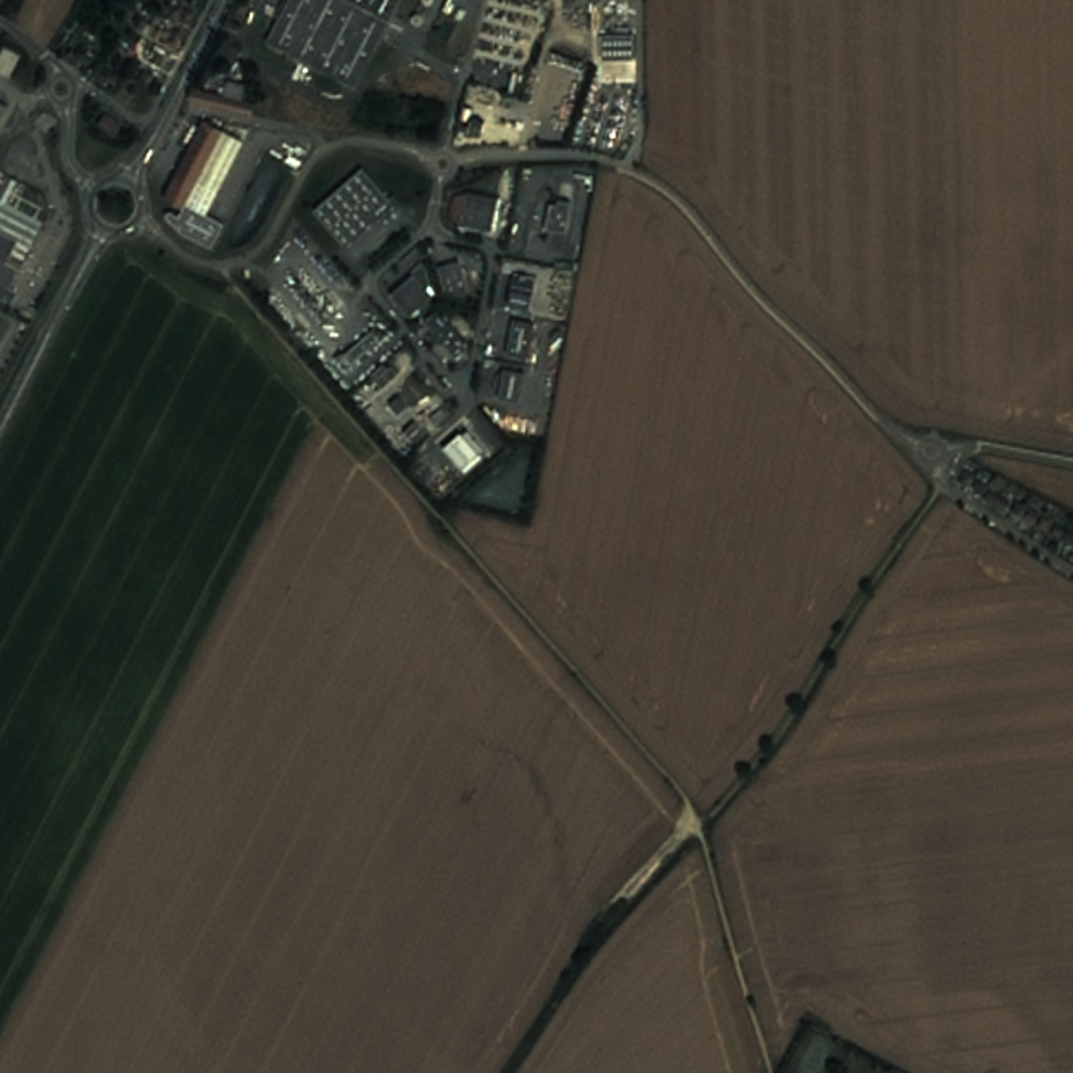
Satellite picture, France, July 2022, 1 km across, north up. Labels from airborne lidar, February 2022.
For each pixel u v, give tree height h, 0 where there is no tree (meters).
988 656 0
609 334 0
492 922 0
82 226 0
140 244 0
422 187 0
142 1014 0
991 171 0
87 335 0
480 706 0
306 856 0
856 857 0
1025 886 0
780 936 0
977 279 0
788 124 0
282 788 0
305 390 0
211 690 0
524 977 0
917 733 0
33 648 0
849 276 0
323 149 0
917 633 0
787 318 0
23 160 0
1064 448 0
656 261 0
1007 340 0
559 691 0
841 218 0
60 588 0
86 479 0
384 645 0
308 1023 0
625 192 0
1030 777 0
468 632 0
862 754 0
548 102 0
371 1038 0
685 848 0
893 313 0
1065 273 0
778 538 0
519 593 0
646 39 0
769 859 0
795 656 0
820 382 0
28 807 0
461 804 0
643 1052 0
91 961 0
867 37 0
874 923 0
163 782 0
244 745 0
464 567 0
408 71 0
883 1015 0
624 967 0
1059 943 0
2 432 0
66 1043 0
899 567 0
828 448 0
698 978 0
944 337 0
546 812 0
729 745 0
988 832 0
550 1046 0
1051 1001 0
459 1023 0
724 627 0
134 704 0
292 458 0
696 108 0
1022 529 0
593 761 0
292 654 0
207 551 0
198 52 0
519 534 0
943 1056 0
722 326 0
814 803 0
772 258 0
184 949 0
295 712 0
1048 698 0
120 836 0
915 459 0
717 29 0
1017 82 0
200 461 0
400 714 0
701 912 0
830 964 0
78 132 0
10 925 0
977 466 0
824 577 0
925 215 0
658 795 0
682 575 0
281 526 0
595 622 0
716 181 0
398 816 0
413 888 0
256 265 0
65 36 7
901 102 0
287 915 0
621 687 0
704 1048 0
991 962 0
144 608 0
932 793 0
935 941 0
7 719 0
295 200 0
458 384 0
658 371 0
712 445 0
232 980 0
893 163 0
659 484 0
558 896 0
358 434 0
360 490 0
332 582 0
